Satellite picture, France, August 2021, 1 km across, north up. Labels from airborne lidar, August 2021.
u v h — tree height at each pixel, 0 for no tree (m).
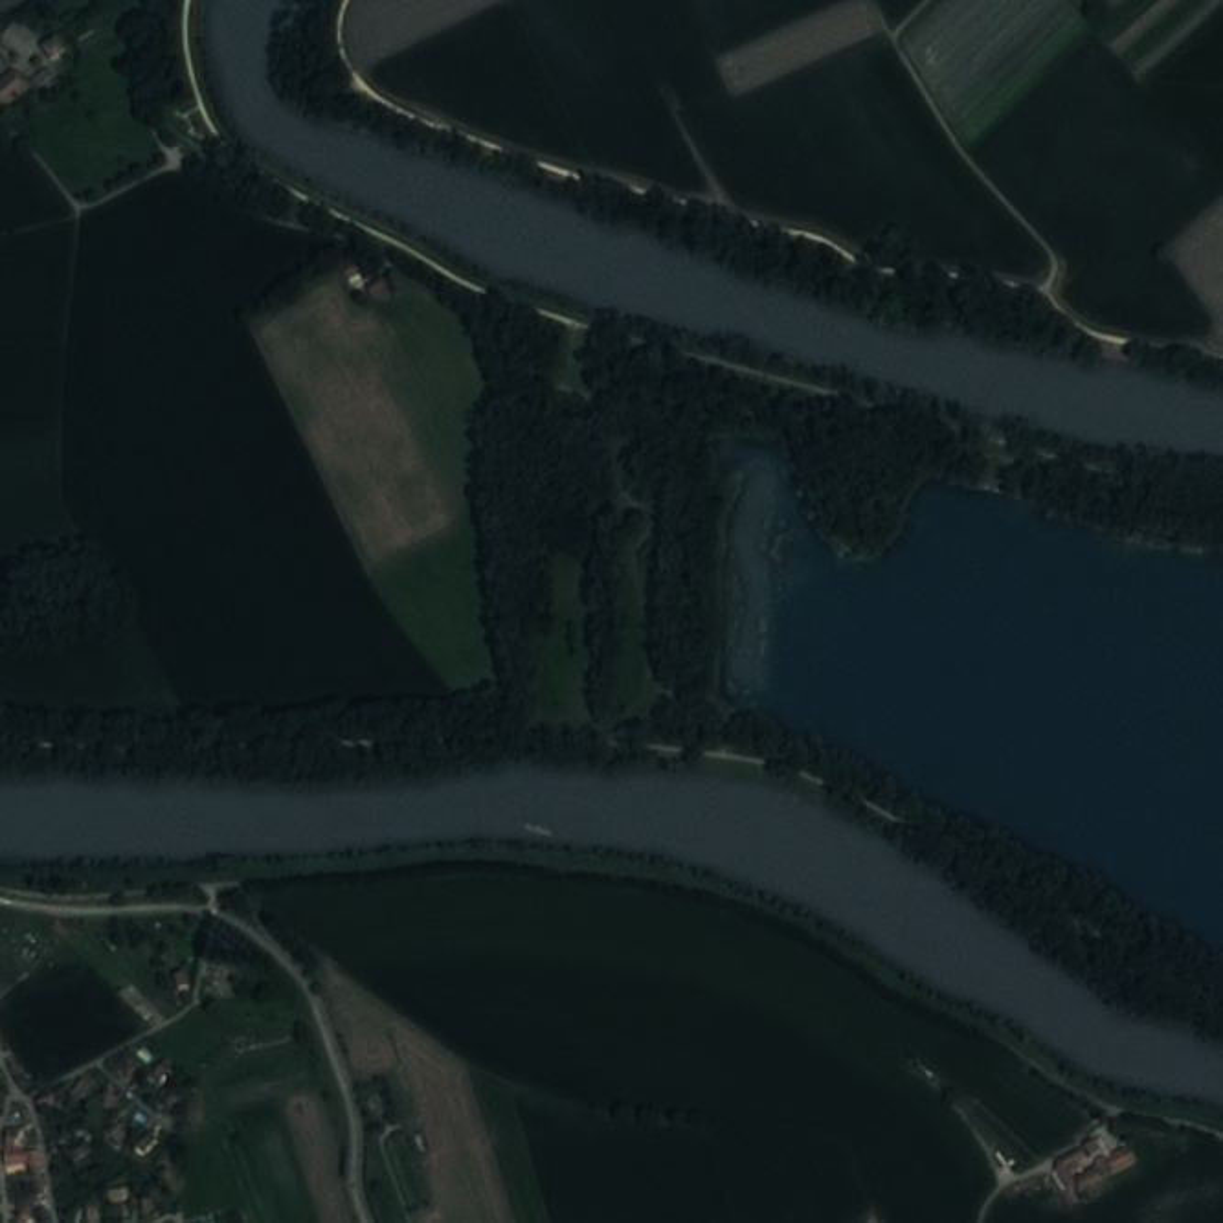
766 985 0
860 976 20
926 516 0
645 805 0
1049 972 0
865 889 0
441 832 0
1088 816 0
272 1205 0
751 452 0
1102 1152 0
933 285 19
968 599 0
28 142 11
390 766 20
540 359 25
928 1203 0
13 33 0
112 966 0
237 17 0
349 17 0
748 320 0
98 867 7
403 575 0
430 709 23
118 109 0
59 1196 6
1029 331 7
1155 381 0
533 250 0
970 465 21
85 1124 8
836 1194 0
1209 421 0
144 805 0
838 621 0
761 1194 0
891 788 15
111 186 10
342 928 0
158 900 14
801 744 23
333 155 0
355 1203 0
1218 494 24
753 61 0
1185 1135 11
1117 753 0
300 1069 0
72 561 28
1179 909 0
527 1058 0
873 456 31
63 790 0
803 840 0
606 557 25
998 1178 0
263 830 0
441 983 0
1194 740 0
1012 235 0
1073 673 0
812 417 18
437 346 0
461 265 8
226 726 28
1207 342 0
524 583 18
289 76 15
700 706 21
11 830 0
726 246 32
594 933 0
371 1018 0
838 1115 0
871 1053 0
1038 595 0
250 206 29
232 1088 0
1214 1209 0
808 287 33
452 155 21
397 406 0
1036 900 24
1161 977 29
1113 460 17
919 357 0
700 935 0
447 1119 0
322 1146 0
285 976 0
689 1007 0
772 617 0
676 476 22
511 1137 0
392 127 27
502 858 0
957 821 19
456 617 0
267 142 0
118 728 27
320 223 24
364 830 0
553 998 0
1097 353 21
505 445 23
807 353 0
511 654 28
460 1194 0
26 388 0
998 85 0
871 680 0
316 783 18
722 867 0
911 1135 0
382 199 0
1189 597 0
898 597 0
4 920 0
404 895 0
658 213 20
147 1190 7
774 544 0
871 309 13
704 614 26
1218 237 0
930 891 0
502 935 0
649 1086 0
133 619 28
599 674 13
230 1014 0
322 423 0
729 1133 0
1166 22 0
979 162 0
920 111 0
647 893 19
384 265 22
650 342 13
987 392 0
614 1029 0
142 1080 15
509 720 31
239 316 12
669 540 27
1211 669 0
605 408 22
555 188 11
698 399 30
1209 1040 13
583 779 0
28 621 32
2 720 26
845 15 0
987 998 0
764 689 0
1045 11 0
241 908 10
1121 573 0
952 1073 0
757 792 0
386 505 0
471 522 0
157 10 24
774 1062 0
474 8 0
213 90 9
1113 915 7
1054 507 16
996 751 0
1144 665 0
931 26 0
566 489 18
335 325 0
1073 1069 11
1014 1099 0
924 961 0
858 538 16
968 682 0
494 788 0
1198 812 0
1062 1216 0
